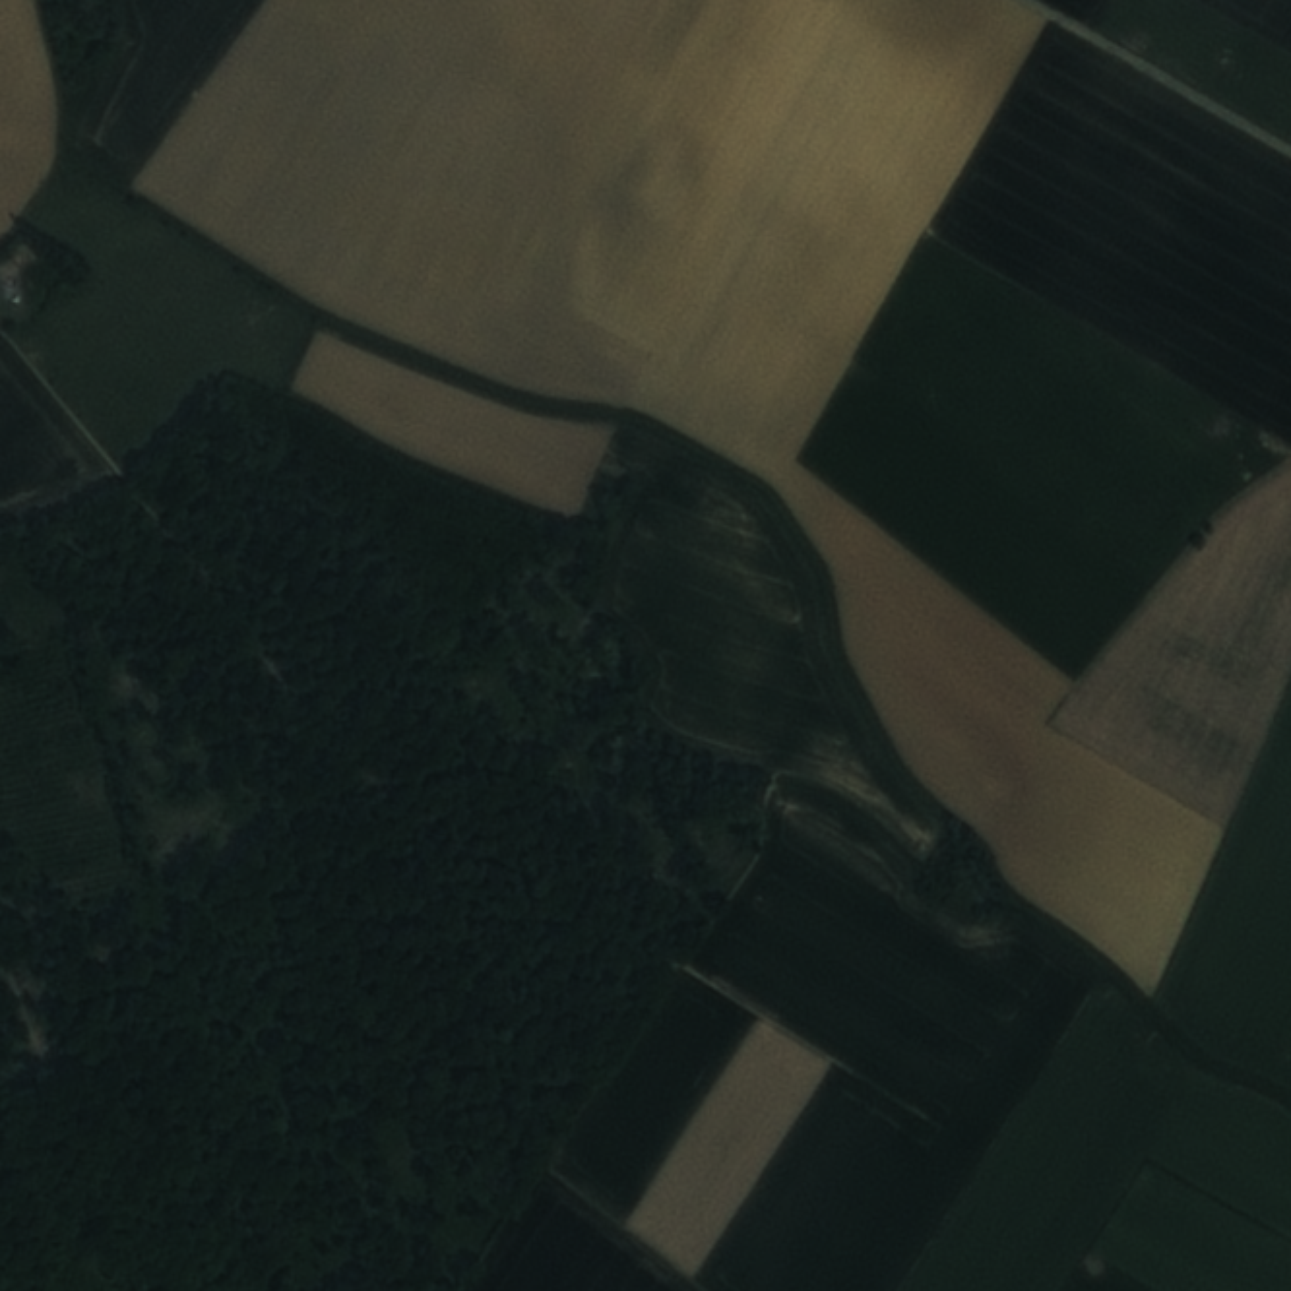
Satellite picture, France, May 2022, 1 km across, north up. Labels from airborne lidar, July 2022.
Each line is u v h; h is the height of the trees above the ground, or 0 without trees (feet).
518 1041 81
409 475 27
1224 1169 0
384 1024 91
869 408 0
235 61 0
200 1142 56
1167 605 0
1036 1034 0
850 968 0
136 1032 94
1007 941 0
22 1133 78
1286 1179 0
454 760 66
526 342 0
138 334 0
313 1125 75
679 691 0
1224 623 0
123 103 0
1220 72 0
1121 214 0
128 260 0
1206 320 0
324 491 26
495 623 30
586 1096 50
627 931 65
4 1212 83
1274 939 0
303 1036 86
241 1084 82
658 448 0
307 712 78
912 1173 0
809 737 0
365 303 0
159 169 0
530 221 0
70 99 0
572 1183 0
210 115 0
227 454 54
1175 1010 0
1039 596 0
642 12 0
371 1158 95
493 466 0
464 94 0
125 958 88
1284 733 0
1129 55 0
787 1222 0
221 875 81
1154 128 0
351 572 85
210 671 98
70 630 36
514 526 28
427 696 78
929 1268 0
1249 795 0
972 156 0
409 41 0
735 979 0
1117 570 0
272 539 68
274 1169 85
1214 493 0
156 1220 66
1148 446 0
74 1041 89
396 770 88
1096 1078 0
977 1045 0
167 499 81
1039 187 0
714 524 0
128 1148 83
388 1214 85
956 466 0
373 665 77
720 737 0
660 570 0
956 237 0
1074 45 0
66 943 85
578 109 0
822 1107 0
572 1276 0
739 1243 0
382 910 88
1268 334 0
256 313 0
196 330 0
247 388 23
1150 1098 0
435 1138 100
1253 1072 0
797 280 0
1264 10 0
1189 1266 0
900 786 0
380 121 0
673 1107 0
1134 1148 0
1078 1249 0
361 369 0
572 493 0
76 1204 73
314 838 103
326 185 0
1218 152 0
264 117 0
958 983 0
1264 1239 0
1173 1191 0
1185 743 0
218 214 0
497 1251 0
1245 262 0
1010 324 0
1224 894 0
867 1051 0
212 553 71
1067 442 0
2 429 0
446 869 85
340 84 0
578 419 0
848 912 0
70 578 64
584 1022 78
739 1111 0
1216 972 0
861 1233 0
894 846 0
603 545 41
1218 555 0
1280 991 0
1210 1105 0
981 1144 0
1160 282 0
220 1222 74
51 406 0
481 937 82
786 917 0
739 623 0
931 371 0
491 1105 87
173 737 94
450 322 0
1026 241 0
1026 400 0
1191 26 0
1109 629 0
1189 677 0
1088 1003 0
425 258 0
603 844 82
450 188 0
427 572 37
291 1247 58
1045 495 0
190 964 85
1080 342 0
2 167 0
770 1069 0
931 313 0
